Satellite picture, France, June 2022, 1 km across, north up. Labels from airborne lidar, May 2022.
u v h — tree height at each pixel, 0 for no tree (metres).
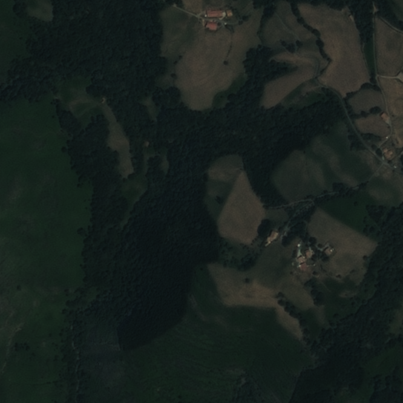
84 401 21
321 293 13
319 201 10
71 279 0
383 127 0
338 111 11
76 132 19
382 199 0
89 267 15
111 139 0
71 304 20
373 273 13
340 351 20
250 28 0
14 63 9
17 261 0
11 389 0
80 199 0
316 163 0
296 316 15
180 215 17
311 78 0
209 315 0
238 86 0
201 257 16
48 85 27
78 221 0
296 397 16
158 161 16
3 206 0
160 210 11
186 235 13
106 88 25
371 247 0
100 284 13
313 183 0
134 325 22
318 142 0
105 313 12
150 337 15
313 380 18
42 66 19
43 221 0
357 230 0
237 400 12
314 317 0
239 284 0
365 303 14
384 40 0
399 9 0
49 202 0
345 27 0
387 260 8
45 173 0
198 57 0
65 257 0
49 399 0
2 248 0
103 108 0
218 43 0
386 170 0
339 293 0
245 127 21
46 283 0
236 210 0
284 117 19
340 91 0
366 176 0
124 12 24
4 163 0
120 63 20
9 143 0
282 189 0
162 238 19
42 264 0
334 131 0
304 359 0
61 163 0
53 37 17
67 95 0
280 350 0
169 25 0
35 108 0
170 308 18
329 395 15
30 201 0
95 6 25
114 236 20
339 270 0
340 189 14
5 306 0
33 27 6
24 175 0
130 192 0
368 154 0
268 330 0
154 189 22
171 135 19
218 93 0
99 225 15
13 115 0
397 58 0
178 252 13
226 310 0
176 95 25
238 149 14
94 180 14
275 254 0
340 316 13
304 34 0
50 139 0
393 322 18
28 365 0
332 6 16
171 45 0
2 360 0
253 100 25
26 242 0
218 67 0
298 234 12
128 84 21
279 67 11
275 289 0
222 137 23
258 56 25
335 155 0
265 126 18
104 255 30
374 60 0
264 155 24
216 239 23
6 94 24
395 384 20
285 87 0
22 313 0
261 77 11
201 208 16
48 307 0
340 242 0
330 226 0
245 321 0
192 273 14
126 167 0
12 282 0
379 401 27
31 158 0
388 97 0
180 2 6
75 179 0
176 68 0
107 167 21
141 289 20
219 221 0
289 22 0
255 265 9
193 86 0
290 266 0
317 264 0
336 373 12
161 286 22
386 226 15
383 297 23
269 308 0
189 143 17
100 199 20
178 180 17
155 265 22
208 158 11
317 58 0
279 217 0
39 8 0
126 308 17
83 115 0
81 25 18
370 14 12
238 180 0
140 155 16
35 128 0
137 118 21
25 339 0
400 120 0
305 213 10
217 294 0
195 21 0
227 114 17
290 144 24
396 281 17
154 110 0
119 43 19
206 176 11
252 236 0
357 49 0
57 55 19
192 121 29
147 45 16
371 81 11
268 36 0
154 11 24
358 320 18
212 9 0
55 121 0
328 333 15
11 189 0
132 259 14
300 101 0
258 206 0
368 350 19
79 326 17
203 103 0
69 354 10
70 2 26
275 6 14
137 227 23
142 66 11
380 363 0
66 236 0
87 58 27
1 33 0
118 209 19
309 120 24
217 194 0
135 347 14
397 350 0
